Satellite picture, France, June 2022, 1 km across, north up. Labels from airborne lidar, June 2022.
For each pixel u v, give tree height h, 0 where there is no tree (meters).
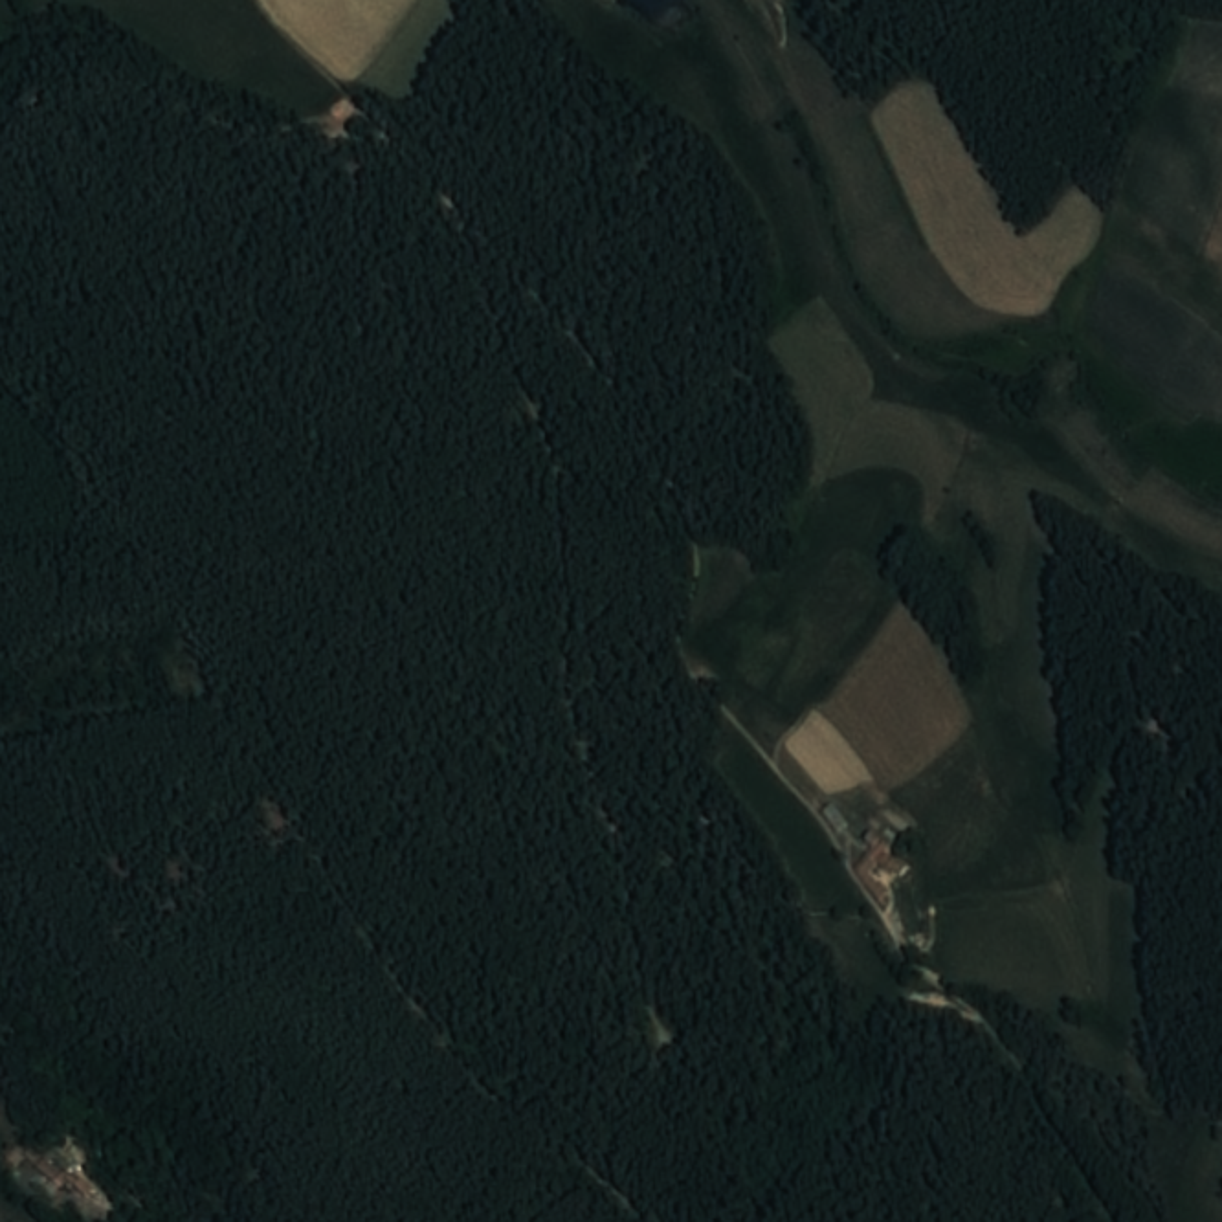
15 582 23
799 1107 21
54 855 26
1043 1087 16
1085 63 25
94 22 13
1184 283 0
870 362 0
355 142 9
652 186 26
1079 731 29
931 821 0
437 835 24
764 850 24
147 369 27
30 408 28
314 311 28
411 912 23
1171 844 31
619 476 19
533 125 28
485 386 25
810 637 0
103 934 23
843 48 32
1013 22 24
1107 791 0
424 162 20
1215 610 26
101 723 23
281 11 0
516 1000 26
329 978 19
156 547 25
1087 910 0
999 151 24
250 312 26
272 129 11
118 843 24
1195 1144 0
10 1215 0
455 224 19
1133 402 0
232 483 25
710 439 23
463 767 20
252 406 22
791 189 0
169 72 21
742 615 0
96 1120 14
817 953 16
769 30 0
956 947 0
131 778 25
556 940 26
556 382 23
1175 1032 26
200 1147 18
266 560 21
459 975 25
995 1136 29
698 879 26
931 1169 27
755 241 24
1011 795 0
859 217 0
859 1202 28
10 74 17
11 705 15
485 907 26
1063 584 28
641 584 22
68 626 20
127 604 23
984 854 0
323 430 24
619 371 22
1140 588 25
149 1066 23
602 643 26
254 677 26
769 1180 17
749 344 26
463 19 28
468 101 24
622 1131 25
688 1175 28
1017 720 0
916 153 0
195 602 25
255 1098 24
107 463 18
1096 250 0
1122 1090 11
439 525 24
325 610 24
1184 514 0
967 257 0
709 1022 23
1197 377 0
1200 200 0
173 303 25
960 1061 29
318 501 27
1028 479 0
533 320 27
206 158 29
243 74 0
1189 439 0
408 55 0
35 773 24
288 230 24
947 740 0
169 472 26
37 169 20
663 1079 19
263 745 28
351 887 23
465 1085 24
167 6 0
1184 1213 0
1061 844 0
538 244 28
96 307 29
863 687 0
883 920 0
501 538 24
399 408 19
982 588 0
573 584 24
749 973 30
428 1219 24
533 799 25
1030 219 17
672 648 24
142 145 24
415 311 26
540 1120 25
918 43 29
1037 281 0
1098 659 23
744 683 0
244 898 20
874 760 0
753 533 20
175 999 18
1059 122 27
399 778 23
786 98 0
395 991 18
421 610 21
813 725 0
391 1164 24
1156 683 25
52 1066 6
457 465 24
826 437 0
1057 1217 27
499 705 25
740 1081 26
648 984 19
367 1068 16
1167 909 27
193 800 24
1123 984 0
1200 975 28
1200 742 34
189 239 24
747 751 0
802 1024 6
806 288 0
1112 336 0
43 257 26
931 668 0
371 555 21
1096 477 0
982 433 0
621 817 26
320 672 25
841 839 0
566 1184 28
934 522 0
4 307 27
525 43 24
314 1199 24
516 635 25
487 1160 24
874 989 0
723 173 19
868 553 0
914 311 0
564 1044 14
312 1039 21
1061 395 0
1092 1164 28
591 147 30
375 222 24
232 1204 17
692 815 26
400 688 19
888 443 0
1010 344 0
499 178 26
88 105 23
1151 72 21
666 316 22
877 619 0
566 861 26
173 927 17
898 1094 31
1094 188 19
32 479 19
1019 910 0
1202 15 23
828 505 0
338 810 25
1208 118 0
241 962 22
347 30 0
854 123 0
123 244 23
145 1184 11
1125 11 22
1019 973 0
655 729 29
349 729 24
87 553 14
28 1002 21
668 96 0
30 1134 6
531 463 26
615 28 0
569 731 24
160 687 8
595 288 29
